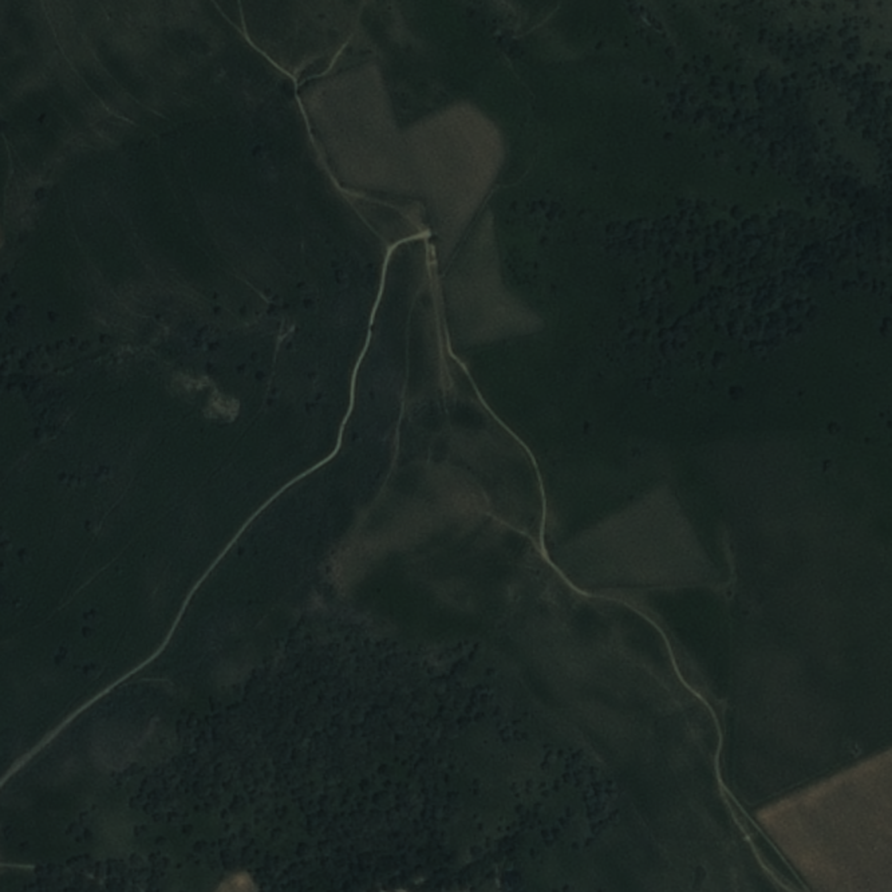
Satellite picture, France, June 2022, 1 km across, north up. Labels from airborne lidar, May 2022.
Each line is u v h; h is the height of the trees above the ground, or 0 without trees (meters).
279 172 0
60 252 0
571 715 0
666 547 0
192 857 7
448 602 0
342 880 9
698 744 0
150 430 0
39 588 0
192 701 0
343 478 0
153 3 0
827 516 0
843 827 0
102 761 0
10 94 0
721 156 12
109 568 0
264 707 20
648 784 0
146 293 0
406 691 15
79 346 11
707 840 0
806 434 0
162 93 0
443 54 0
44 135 0
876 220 12
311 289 9
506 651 0
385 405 0
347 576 0
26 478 0
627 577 0
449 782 14
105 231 0
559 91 0
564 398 0
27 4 0
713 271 16
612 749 0
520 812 12
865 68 6
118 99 0
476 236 0
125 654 0
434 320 0
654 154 0
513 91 0
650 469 0
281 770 13
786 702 0
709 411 0
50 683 0
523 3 0
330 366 0
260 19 0
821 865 0
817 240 12
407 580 0
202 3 0
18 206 0
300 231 0
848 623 0
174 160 0
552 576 0
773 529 0
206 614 0
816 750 0
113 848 0
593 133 0
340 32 0
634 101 0
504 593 0
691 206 12
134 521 0
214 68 0
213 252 0
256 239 0
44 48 0
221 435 0
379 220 0
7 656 0
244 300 0
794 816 0
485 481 0
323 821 18
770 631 0
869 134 15
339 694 20
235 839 12
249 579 0
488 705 9
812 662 0
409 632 0
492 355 0
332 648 10
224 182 0
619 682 0
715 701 0
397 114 0
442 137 0
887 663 0
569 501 0
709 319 11
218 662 0
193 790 9
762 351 13
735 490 0
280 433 0
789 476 0
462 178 0
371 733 14
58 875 16
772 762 0
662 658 0
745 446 0
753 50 0
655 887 0
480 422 0
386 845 21
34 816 0
